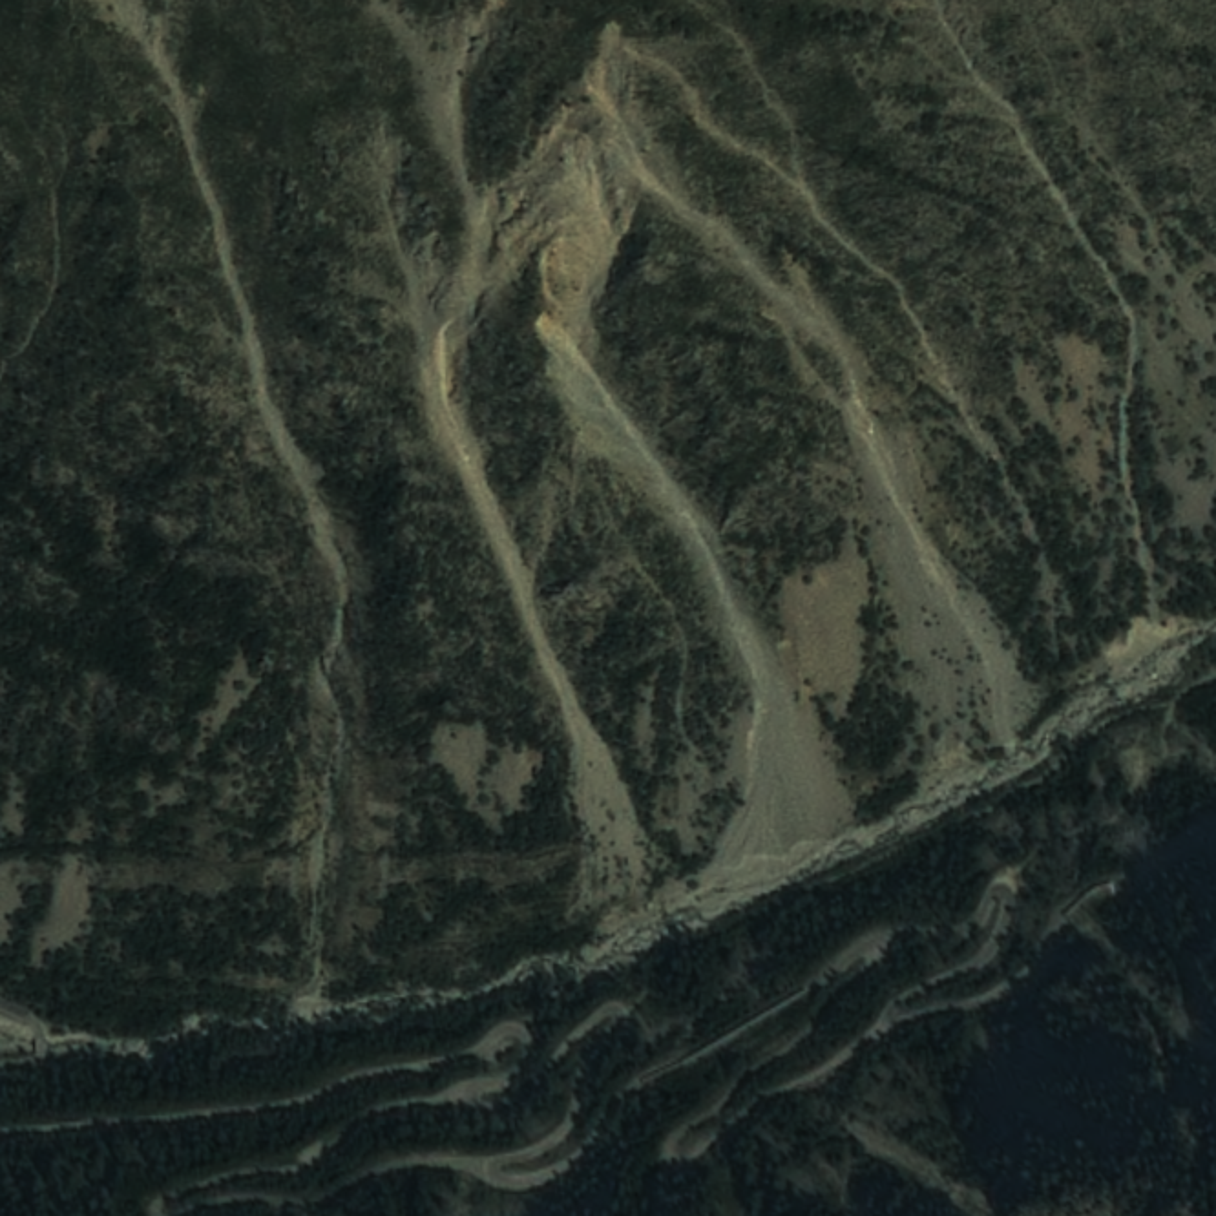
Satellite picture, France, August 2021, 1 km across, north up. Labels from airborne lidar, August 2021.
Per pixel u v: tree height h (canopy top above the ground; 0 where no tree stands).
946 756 0
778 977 13
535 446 6
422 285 0
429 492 11
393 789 0
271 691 7
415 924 12
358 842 0
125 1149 28
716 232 0
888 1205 12
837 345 0
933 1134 6
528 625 0
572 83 0
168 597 9
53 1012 7
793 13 7
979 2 0
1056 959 8
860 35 9
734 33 0
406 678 7
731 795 8
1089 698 0
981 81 0
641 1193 16
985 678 0
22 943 12
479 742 0
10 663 12
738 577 8
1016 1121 7
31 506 11
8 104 0
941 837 7
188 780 7
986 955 0
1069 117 0
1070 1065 11
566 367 0
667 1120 9
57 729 13
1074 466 0
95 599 7
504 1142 9
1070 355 0
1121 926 8
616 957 0
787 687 0
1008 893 0
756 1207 19
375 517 8
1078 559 9
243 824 7
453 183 0
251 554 8
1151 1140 17
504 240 0
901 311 0
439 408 0
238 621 14
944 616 0
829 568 0
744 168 0
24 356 0
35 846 16
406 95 0
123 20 0
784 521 7
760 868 0
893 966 11
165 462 7
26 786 9
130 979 6
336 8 0
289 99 0
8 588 14
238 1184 13
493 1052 0
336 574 0
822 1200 8
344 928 0
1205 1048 0
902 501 0
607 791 0
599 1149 11
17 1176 10
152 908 8
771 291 0
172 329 8
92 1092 13
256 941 14
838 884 6
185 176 0
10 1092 26
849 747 10
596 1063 11
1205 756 0
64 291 5
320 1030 7
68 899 0
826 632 0
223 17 0
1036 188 6
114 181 6
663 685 7
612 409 0
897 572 0
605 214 0
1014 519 10
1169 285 10
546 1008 29
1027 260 7
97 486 12
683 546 0
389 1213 18
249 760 10
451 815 9
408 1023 14
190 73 0
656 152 0
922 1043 8
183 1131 13
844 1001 12
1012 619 11
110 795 8
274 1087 14
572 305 0
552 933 13
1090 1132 8
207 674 7
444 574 6
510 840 12
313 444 13
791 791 0
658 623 6
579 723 0
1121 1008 14
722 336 6
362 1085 12
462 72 8
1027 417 6
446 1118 7
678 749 9
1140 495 11
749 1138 14
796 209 0
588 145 0
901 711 11
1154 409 9
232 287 0
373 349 6
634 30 0
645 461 0
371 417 6
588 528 7
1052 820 7
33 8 0
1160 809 9
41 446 7
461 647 7
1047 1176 15
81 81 0
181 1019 11
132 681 11
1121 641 0
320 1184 9
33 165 0
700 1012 7
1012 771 0
